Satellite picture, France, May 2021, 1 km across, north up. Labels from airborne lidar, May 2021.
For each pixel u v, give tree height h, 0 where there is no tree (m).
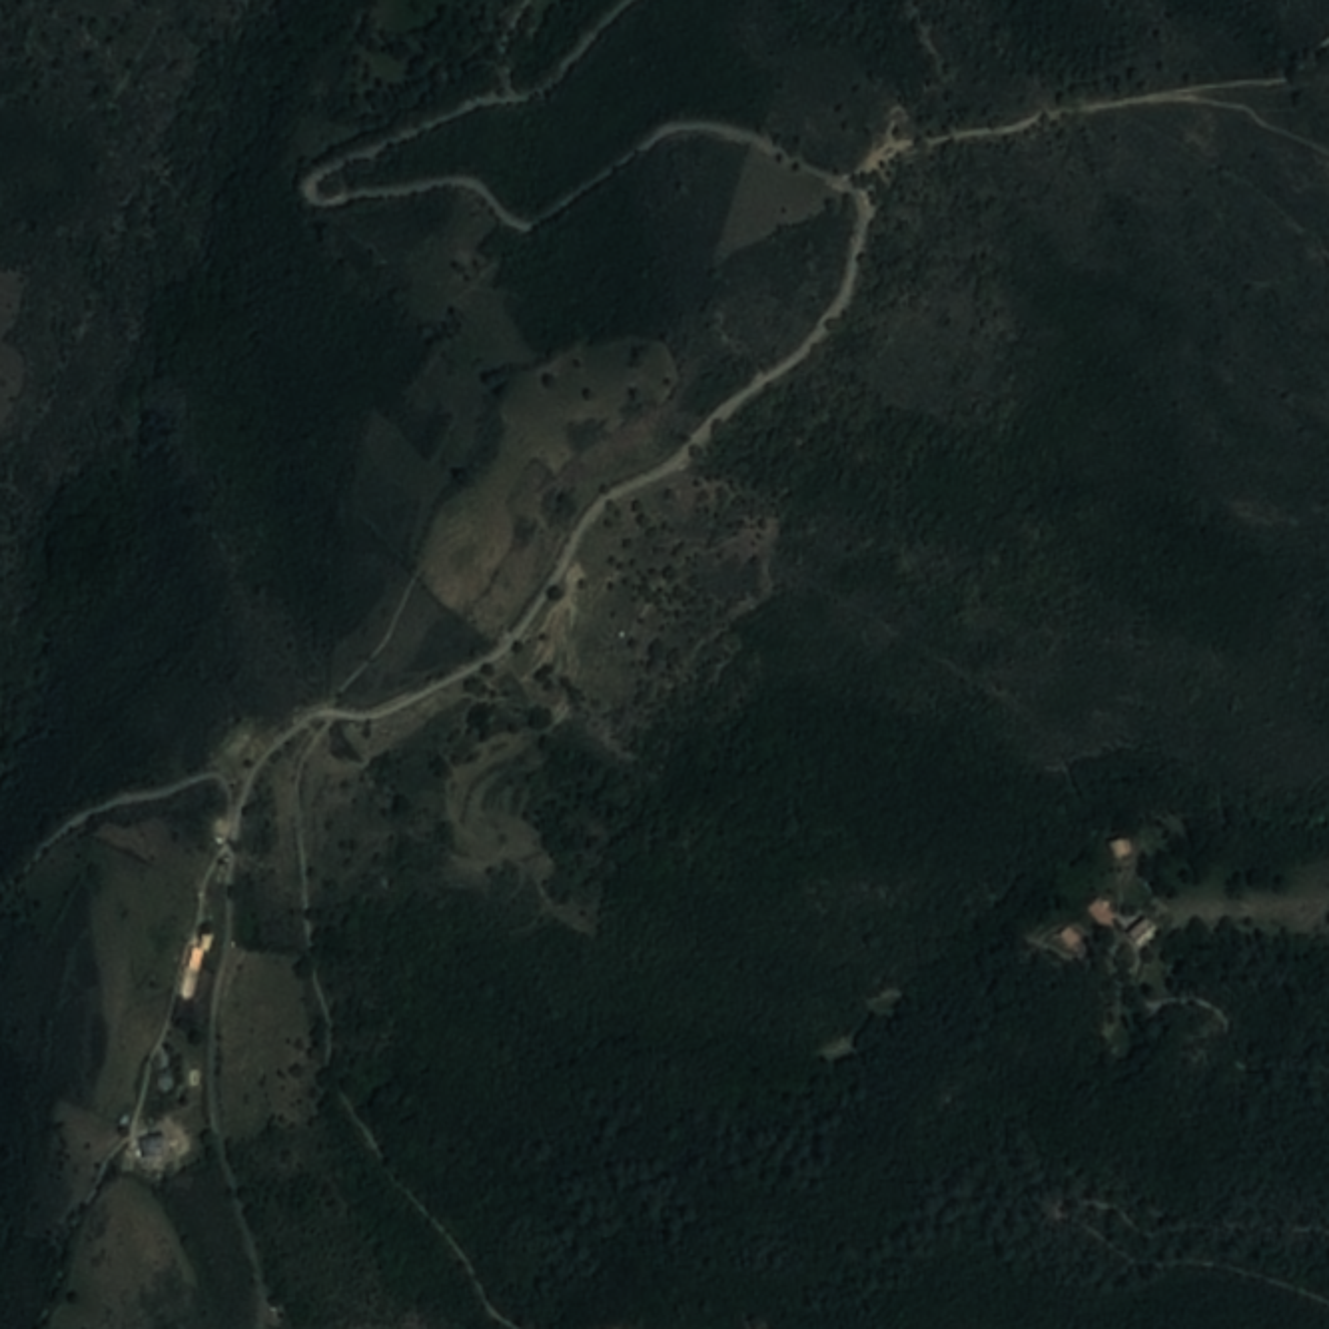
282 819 0
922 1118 10
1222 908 0
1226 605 7
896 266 9
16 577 7
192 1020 6
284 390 7
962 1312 6
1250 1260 10
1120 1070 16
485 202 8
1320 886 0
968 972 17
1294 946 15
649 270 6
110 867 0
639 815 7
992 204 11
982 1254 6
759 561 9
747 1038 17
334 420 6
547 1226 9
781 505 8
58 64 11
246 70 8
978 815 15
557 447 0
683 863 11
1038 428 6
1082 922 0
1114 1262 15
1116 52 8
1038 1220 22
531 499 0
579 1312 18
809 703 13
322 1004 0
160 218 9
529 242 9
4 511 6
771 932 7
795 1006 11
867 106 0
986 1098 17
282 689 0
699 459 9
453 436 0
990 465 10
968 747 15
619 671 0
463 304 0
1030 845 13
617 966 7
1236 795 13
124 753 6
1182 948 17
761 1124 15
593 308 6
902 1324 7
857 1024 9
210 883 0
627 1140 16
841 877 9
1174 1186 18
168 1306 0
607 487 7
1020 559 9
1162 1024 10
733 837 9
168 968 0
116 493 14
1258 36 7
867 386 9
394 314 8
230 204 21
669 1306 7
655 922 11
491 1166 14
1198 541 10
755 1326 11
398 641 0
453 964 11
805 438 12
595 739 0
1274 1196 16
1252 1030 17
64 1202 0
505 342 0
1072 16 8
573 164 5
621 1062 14
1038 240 7
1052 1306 10
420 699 0
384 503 0
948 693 6
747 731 13
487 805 0
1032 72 9
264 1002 0
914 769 15
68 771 7
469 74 10
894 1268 14
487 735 12
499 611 0
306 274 8
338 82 7
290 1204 6
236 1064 0
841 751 15
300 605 7
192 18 5
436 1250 10
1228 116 0
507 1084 11
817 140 0
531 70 10
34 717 15
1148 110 0
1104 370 7
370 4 12
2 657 8
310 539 21
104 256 7
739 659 6
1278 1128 16
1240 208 0
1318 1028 18
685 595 9
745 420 8
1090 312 7
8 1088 7
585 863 11
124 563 10
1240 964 17
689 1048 20
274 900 0
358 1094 8
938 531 7
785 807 13
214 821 0
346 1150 6
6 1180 13
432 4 0
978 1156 13
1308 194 0
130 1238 0
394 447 0
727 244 0
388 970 6
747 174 0
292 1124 7
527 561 0
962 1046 9
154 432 13
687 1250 16
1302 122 0
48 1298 7
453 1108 11
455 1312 6
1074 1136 12
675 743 10
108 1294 0
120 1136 6
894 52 12
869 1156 13
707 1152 15
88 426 6
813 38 6
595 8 11
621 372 0
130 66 7
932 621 5
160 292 10
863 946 6
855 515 7
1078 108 0
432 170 6
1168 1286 7
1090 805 16
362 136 8
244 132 21
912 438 14
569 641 0
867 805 16
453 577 0
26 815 9
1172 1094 14
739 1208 12
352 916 10
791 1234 10
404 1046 8
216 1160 9
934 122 6
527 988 9
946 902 11
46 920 0
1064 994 11
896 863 9
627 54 6
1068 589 8
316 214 13
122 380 6
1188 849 18
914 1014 15
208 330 14
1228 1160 15
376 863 7
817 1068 23
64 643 7
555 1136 13
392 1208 11
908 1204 12
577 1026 12
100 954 0
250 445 13
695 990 11
